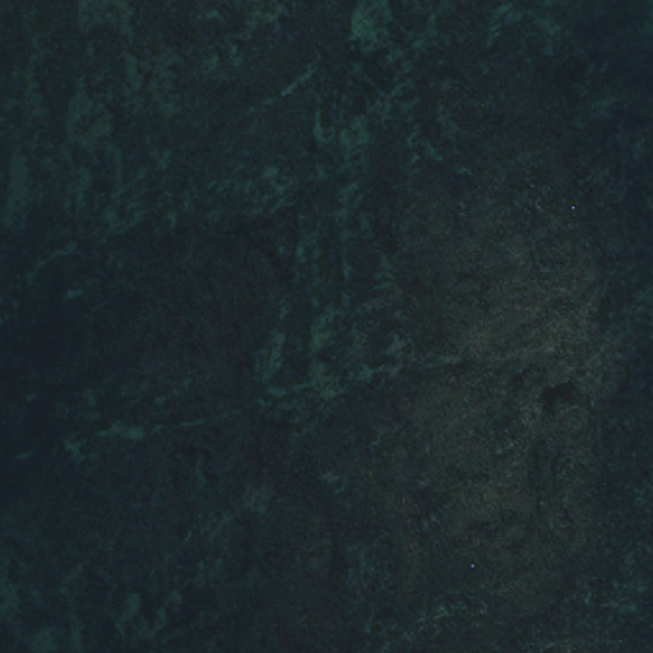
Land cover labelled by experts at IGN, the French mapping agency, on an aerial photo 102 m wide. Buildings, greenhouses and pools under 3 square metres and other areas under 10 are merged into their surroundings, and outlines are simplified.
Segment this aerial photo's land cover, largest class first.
<instances>
[{"label":"water","instance_id":"1","mask_svg":"<svg viewBox=\"0 0 653 653\"><path fill-rule=\"evenodd\" d=\"M0 653H653V0H0Z\"/></svg>","mask_w":653,"mask_h":653}]
</instances>
